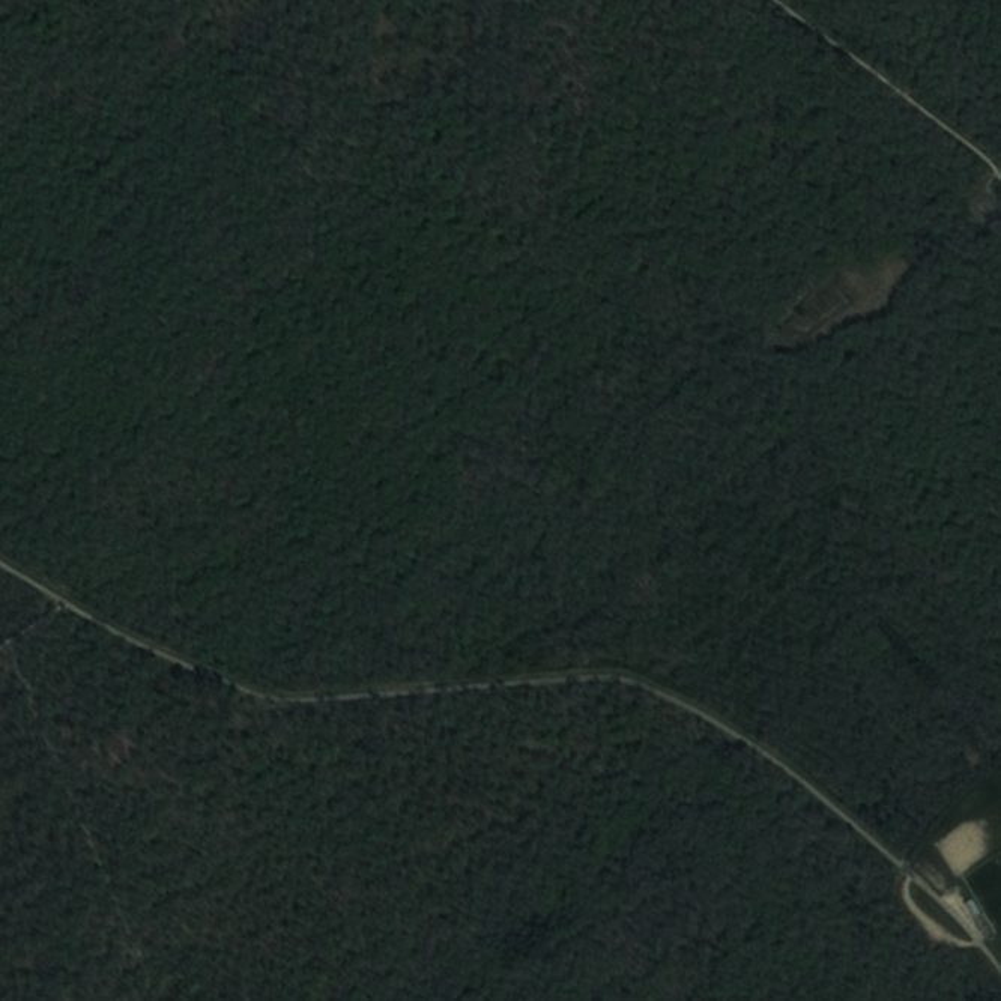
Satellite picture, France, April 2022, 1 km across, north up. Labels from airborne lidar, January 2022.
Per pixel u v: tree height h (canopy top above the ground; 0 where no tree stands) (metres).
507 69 21
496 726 21
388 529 19
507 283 21
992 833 0
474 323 23
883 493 22
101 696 21
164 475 23
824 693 21
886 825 17
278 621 22
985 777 15
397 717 24
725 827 22
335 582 22
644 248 26
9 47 22
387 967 25
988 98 26
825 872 26
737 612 17
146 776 23
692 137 25
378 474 18
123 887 18
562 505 21
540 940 28
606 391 22
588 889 18
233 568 18
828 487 20
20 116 21
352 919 21
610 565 21
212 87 19
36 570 18
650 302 22
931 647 22
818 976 21
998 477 25
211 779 21
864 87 23
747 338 23
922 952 21
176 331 18
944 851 0
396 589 21
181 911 22
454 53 24
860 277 0
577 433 20
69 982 19
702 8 24
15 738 19
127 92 23
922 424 23
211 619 20
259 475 22
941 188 24
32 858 22
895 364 25
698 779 20
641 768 24
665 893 27
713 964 23
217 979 21
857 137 25
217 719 15
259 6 23
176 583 22
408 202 22
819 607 22
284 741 22
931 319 21
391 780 22
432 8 23
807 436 25
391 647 19
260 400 20
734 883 25
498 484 21
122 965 20
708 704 17
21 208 21
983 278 23
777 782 22
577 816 21
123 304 24
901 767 25
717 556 17
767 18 18
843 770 23
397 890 22
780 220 24
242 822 22
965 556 23
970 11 19
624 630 20
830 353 18
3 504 22
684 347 23
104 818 20
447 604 21
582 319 21
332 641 20
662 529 21
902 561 22
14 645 19
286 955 21
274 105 23
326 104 19
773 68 24
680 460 20
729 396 26
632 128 24
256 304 20
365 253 16
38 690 17
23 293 19
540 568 23
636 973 22
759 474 23
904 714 24
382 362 21
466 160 23
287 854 21
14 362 22
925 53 20
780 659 20
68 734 22
